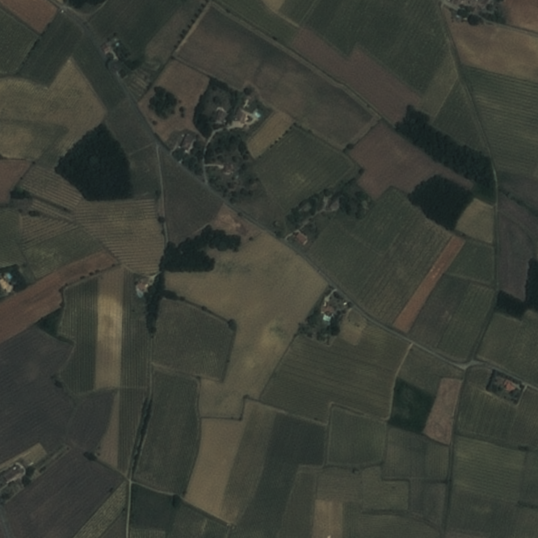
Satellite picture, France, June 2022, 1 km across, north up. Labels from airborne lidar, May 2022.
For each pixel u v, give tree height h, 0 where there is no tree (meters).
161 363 0
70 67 0
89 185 16
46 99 0
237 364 0
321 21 0
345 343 0
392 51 0
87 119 0
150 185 0
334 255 0
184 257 15
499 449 0
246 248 0
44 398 0
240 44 0
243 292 0
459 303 0
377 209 0
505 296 13
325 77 0
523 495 0
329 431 0
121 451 0
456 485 0
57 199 0
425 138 19
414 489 0
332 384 0
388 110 0
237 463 0
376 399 0
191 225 0
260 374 0
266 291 0
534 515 0
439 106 0
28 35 0
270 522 0
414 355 0
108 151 8
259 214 0
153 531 0
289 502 0
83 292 0
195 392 0
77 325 0
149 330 9
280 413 0
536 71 0
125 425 0
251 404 0
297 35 0
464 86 0
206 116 12
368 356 0
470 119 0
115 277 0
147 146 0
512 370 0
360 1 0
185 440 0
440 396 0
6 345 0
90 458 12
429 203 15
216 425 0
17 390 0
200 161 6
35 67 0
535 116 0
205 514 0
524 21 0
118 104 0
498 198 0
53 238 0
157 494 0
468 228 0
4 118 0
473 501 0
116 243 0
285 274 0
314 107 0
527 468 0
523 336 0
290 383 0
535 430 0
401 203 0
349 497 0
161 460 0
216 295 0
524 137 0
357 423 0
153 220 0
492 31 0
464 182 0
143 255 0
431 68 0
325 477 0
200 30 0
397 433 0
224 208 0
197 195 0
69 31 0
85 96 0
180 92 0
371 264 0
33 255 0
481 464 0
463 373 0
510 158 0
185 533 0
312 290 0
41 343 0
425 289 0
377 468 0
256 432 0
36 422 0
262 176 0
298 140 0
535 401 0
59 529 0
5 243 0
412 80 0
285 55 0
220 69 0
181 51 0
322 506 0
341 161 0
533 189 0
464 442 0
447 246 0
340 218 0
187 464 0
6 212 0
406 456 0
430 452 0
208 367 0
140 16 0
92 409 0
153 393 0
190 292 0
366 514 0
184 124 0
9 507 0
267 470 0
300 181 0
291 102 0
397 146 0
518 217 0
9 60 0
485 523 0
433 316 0
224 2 0
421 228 0
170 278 0
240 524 0
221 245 12
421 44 0
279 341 0
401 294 0
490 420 0
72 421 0
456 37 0
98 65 0
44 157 0
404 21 0
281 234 10
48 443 0
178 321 0
